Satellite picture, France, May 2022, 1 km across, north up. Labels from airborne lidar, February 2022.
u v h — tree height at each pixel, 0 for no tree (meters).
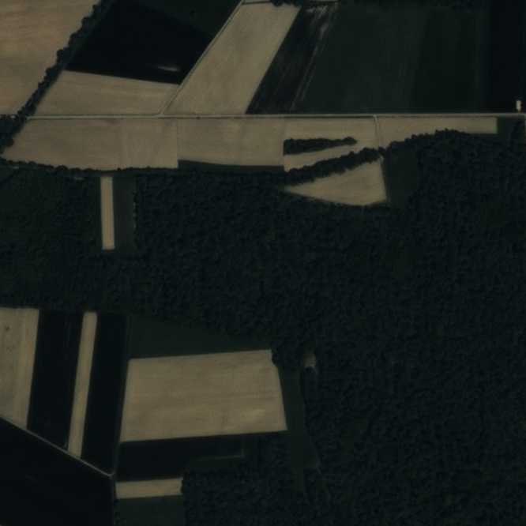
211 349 0
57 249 15
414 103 0
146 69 0
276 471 26
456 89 0
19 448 0
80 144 0
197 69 0
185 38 0
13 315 0
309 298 30
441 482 26
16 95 0
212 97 0
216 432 0
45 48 0
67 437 0
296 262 29
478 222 24
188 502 13
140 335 0
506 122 0
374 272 25
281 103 0
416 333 26
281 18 0
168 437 0
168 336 0
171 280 24
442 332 26
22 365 0
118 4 0
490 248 25
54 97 0
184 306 27
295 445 0
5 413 0
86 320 0
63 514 0
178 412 0
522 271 25
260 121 0
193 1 0
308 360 0
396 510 30
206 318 24
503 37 0
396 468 24
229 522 26
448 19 0
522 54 0
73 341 0
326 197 0
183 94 0
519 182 22
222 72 0
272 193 21
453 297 28
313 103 0
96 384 0
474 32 0
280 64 0
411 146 25
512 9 0
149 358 0
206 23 0
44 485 0
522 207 26
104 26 0
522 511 23
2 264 23
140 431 0
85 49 0
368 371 26
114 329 0
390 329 29
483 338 27
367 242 21
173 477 0
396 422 24
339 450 28
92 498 0
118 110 0
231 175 10
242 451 0
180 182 26
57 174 14
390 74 0
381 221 21
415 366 27
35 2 0
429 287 23
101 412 0
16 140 0
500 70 0
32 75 0
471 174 24
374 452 7
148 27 0
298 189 0
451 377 25
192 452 0
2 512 0
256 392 0
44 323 0
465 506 28
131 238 0
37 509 0
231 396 0
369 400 23
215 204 26
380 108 0
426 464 8
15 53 0
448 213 23
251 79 0
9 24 0
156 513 0
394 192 0
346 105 0
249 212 27
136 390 0
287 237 26
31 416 0
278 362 16
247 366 0
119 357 0
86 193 18
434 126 0
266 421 0
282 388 0
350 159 17
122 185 0
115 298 24
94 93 0
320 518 29
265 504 20
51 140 0
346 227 29
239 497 29
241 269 26
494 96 0
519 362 31
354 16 0
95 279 24
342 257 23
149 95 0
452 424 23
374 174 0
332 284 29
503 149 11
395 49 0
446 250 27
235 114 0
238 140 0
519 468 23
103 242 0
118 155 0
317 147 8
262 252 25
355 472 24
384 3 20
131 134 0
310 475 24
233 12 0
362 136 0
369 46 0
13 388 0
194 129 0
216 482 24
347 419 21
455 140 21
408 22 0
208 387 0
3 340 0
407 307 29
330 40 0
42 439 0
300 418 0
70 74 0
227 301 29
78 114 0
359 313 30
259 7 0
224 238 28
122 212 0
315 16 0
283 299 28
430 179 13
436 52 0
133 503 0
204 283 28
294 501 22
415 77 0
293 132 0
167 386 0
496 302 31
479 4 23
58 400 0
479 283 9
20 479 0
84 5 0
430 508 18
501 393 9
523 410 28
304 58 0
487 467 28
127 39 0
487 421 22
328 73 0
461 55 0
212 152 0
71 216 18
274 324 25
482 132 0
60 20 0
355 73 0
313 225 30
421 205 23
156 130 0
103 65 0
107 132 0
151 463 0
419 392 23
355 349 31
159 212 24
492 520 14
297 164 0
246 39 0
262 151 0
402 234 18
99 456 0
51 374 0
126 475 0
